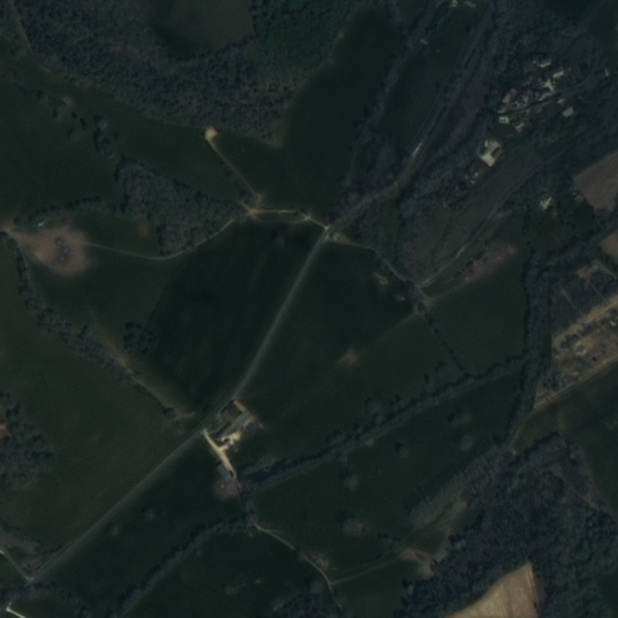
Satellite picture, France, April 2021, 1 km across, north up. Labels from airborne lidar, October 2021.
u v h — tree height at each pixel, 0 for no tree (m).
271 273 0
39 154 0
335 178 0
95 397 0
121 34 12
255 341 0
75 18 18
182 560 8
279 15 24
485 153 0
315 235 0
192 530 0
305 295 0
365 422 0
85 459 0
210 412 9
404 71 0
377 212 19
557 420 0
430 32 9
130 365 0
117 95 20
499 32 16
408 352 0
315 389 0
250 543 0
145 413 0
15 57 15
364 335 0
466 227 0
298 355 0
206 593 0
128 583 0
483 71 0
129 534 0
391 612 0
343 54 0
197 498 0
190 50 0
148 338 18
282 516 0
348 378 0
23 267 13
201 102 10
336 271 0
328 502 0
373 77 0
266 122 14
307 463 17
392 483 0
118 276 0
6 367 0
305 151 0
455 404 0
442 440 0
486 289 0
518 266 0
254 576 0
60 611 0
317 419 0
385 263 21
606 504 0
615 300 0
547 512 7
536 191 16
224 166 6
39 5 17
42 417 0
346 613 15
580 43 0
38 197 0
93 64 13
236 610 0
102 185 0
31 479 20
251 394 0
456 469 0
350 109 0
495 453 37
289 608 7
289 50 25
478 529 9
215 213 13
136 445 0
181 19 0
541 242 0
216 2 0
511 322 0
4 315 0
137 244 0
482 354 0
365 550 0
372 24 0
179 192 16
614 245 0
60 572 0
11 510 0
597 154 25
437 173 20
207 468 0
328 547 0
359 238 8
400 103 0
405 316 0
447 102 11
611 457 0
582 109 9
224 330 0
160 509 0
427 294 0
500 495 17
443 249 9
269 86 13
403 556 0
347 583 0
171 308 0
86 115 0
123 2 19
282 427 0
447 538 0
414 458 0
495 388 0
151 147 0
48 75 0
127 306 0
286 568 0
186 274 0
